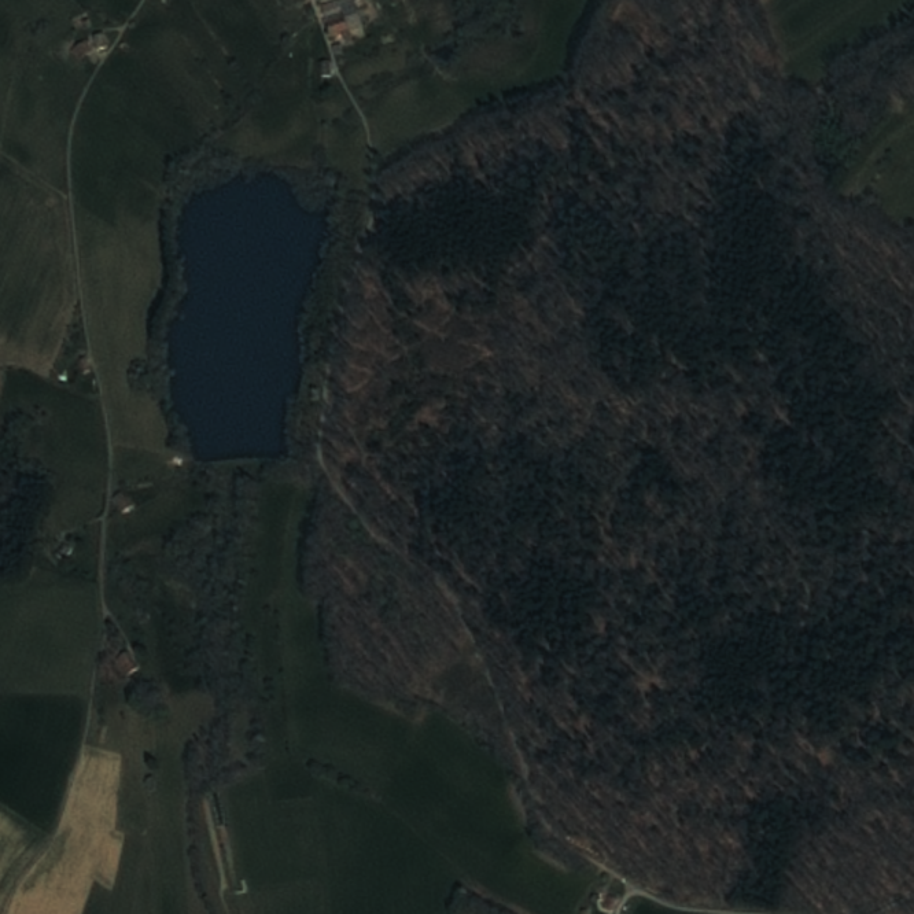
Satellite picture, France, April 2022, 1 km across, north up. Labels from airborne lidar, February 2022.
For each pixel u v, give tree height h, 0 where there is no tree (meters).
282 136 0
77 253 0
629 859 30
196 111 0
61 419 0
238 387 0
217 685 21
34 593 0
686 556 12
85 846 0
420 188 28
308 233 0
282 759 0
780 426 16
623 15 0
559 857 18
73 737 0
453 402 5
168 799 0
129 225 0
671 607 25
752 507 30
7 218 0
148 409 0
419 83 0
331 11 0
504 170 31
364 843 0
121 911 0
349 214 9
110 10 0
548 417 28
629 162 29
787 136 32
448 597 34
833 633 15
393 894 0
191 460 21
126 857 0
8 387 0
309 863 0
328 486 25
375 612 34
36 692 0
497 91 0
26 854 0
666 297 31
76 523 0
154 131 0
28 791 0
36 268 0
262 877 0
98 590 0
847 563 28
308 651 0
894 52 27
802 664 25
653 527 29
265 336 0
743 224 19
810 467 27
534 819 19
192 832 10
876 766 35
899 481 28
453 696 0
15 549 19
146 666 0
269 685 8
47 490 25
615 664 27
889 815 35
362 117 0
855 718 28
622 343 28
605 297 29
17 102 0
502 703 29
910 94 27
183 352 0
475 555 25
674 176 27
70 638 0
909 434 21
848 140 33
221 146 0
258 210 0
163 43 0
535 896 0
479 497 26
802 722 32
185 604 0
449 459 30
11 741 0
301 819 0
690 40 26
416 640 31
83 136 0
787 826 35
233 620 12
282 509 0
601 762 31
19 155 0
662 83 28
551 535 33
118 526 0
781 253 27
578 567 27
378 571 31
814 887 31
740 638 22
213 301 0
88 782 0
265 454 0
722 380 14
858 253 32
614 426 29
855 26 0
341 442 27
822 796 15
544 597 27
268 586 0
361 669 31
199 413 0
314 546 34
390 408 9
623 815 35
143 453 0
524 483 22
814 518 30
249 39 0
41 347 0
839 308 29
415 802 0
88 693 0
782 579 27
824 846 33
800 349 24
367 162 0
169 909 0
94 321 0
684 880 29
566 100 32
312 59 0
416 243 28
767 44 34
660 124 29
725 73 31
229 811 0
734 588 27
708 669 25
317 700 0
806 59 0
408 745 0
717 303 26
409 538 31
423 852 0
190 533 21
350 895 0
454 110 0
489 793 0
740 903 27
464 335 7
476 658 0
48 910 0
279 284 0
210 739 18
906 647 29
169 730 0
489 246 27
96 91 0
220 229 0
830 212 33
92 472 0
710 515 28
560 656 32
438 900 0
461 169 14
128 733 0
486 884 0
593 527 31
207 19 0
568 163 33
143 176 0
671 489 27
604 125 0
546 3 0
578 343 27
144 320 0
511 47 0
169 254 25
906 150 0
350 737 0
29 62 0
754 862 28
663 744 14
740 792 33
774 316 29
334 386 24
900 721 28
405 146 0
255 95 8
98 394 0
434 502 19
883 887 33
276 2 0
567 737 24
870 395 26
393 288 26
